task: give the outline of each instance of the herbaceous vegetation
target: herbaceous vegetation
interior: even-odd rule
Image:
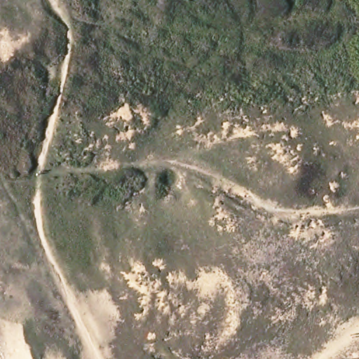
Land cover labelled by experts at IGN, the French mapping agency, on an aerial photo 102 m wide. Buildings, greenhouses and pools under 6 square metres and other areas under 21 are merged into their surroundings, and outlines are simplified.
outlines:
[[[332,237],[332,244],[327,248],[310,248],[324,237],[324,233],[316,233],[310,240],[290,236],[290,220],[280,219],[278,223],[273,224],[272,212],[262,208],[254,209],[251,203],[245,202],[241,196],[227,194],[223,188],[212,192],[212,178],[208,175],[194,170],[189,170],[187,174],[185,184],[194,196],[195,206],[189,206],[188,202],[181,198],[181,192],[175,184],[171,185],[164,199],[156,198],[156,179],[161,171],[156,165],[144,167],[143,170],[147,177],[147,185],[133,194],[133,201],[126,203],[125,212],[115,199],[109,196],[104,196],[97,205],[93,205],[86,198],[70,196],[69,191],[74,187],[74,182],[70,179],[70,172],[97,174],[101,171],[116,170],[118,167],[139,168],[140,160],[149,154],[157,154],[165,158],[178,158],[187,164],[210,167],[224,178],[250,189],[259,198],[276,202],[282,208],[325,208],[324,195],[331,199],[334,206],[359,205],[359,0],[60,0],[65,4],[67,15],[72,21],[76,42],[67,67],[67,94],[59,109],[59,121],[56,123],[45,168],[42,171],[43,231],[50,248],[53,248],[56,261],[65,273],[67,285],[81,293],[88,290],[107,290],[111,294],[112,302],[119,311],[115,338],[108,344],[115,359],[261,359],[259,352],[265,351],[266,348],[279,348],[290,355],[304,355],[306,358],[311,356],[323,351],[323,345],[330,341],[331,324],[320,325],[320,318],[330,314],[332,306],[338,304],[338,316],[345,323],[352,317],[359,317],[359,210],[346,215],[323,216],[324,226],[331,231]],[[132,119],[128,121],[121,118],[114,126],[107,126],[104,123],[104,116],[122,108],[119,105],[121,94],[128,101]],[[192,125],[198,116],[202,118],[201,125],[196,128],[199,135],[220,132],[223,123],[229,122],[227,136],[233,135],[236,125],[240,125],[240,128],[250,128],[255,136],[238,137],[233,142],[219,143],[208,149],[205,143],[194,140],[192,132],[177,135],[177,125]],[[283,147],[283,154],[293,165],[299,167],[297,174],[289,174],[282,163],[272,160],[272,143],[278,143]],[[213,210],[213,202],[219,196],[223,198],[220,205],[230,213],[236,227],[234,231],[217,231],[209,226],[210,217],[217,215]],[[202,351],[206,334],[217,335],[222,332],[223,321],[227,317],[226,297],[216,293],[213,306],[206,311],[202,320],[196,321],[199,338],[187,335],[175,341],[165,342],[165,337],[170,335],[170,318],[157,309],[156,293],[150,294],[150,309],[146,318],[135,318],[135,314],[143,311],[139,303],[139,292],[130,287],[128,280],[122,275],[123,271],[129,273],[132,269],[129,264],[132,258],[142,262],[149,272],[150,280],[160,280],[163,292],[170,290],[168,275],[171,272],[184,272],[188,279],[196,280],[199,278],[199,269],[203,266],[216,266],[222,269],[231,279],[234,289],[238,287],[241,292],[248,294],[248,306],[241,311],[236,334],[231,335],[227,344],[220,346],[219,351]],[[271,318],[275,316],[276,309],[285,309],[285,304],[271,294],[264,280],[254,280],[251,283],[245,278],[247,271],[269,271],[271,268],[279,269],[278,275],[273,278],[289,278],[283,280],[283,283],[275,283],[276,289],[292,283],[293,289],[299,289],[300,286],[309,290],[311,285],[321,294],[323,287],[327,287],[327,302],[311,310],[299,304],[293,321],[272,323]]]
[[[24,43],[21,49],[14,50],[14,55],[8,62],[0,59],[0,272],[3,273],[3,283],[13,283],[15,289],[27,292],[29,302],[34,307],[29,313],[28,320],[22,325],[32,359],[80,359],[83,342],[77,334],[76,321],[67,307],[65,297],[57,289],[55,279],[50,273],[52,265],[49,264],[39,240],[34,213],[35,171],[49,118],[60,95],[60,73],[69,41],[66,24],[53,11],[49,0],[0,0],[0,31],[7,28],[8,32],[18,31],[29,38],[29,42]]]

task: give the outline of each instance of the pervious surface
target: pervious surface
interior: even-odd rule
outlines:
[[[139,168],[143,170],[144,167],[156,165],[161,171],[171,170],[175,175],[178,172],[187,174],[189,170],[194,170],[208,175],[212,178],[212,192],[223,188],[227,194],[241,196],[245,202],[251,203],[254,209],[262,208],[272,212],[273,224],[278,223],[280,219],[290,220],[296,219],[299,215],[304,219],[314,215],[323,216],[346,215],[359,210],[359,205],[334,206],[331,199],[324,195],[325,208],[282,208],[276,202],[259,198],[250,189],[224,178],[210,167],[187,164],[178,158],[165,158],[157,154],[149,154],[140,160]]]
[[[22,325],[7,321],[0,337],[0,359],[32,359]]]
[[[108,344],[115,338],[119,311],[112,302],[111,294],[107,290],[88,290],[81,293],[67,285],[65,273],[56,261],[53,248],[50,248],[43,231],[42,171],[45,168],[56,123],[59,121],[59,109],[67,94],[67,67],[76,42],[72,21],[67,15],[65,4],[60,0],[49,0],[53,11],[66,24],[69,41],[60,73],[60,95],[49,118],[35,171],[34,213],[39,240],[49,264],[52,265],[50,273],[55,279],[57,289],[65,297],[67,307],[76,321],[77,334],[83,342],[80,359],[115,359]]]
[[[339,325],[337,330],[332,330],[334,338],[330,341],[323,345],[323,351],[311,356],[311,359],[359,359],[359,317],[352,317],[345,323]]]

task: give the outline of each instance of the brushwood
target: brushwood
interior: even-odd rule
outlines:
[[[70,172],[70,179],[74,182],[74,187],[69,191],[70,196],[86,198],[93,205],[97,205],[104,196],[109,196],[115,199],[125,212],[126,203],[133,201],[133,194],[147,185],[147,177],[143,170],[139,168],[118,167],[116,170],[101,171],[97,174]]]
[[[171,185],[175,184],[175,175],[171,170],[161,171],[156,179],[156,198],[164,199]]]

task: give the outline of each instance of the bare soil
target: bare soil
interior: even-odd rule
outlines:
[[[0,337],[7,321],[22,325],[28,320],[29,313],[34,307],[29,302],[27,292],[15,289],[13,283],[3,283],[3,273],[0,272]]]
[[[189,206],[195,206],[194,196],[185,184],[187,174],[178,172],[175,175],[175,184],[181,192],[181,198],[188,202]]]
[[[323,287],[321,294],[311,285],[309,290],[300,286],[299,289],[293,289],[292,283],[276,289],[275,283],[283,283],[283,280],[289,278],[273,278],[278,275],[279,269],[271,268],[269,271],[247,271],[245,278],[251,283],[254,280],[264,280],[271,294],[285,304],[285,309],[276,309],[275,316],[271,318],[272,323],[293,321],[299,304],[311,310],[327,302],[327,287]]]
[[[316,233],[324,233],[324,237],[310,248],[327,248],[332,244],[332,237],[331,231],[324,226],[323,216],[314,215],[304,219],[299,215],[296,219],[290,220],[290,236],[310,240]]]
[[[306,358],[304,355],[290,355],[279,348],[266,348],[265,351],[259,352],[261,359],[311,359],[311,356]]]
[[[199,269],[199,278],[196,280],[188,279],[184,272],[171,272],[168,275],[170,290],[163,292],[160,280],[150,280],[149,272],[142,262],[132,258],[129,264],[132,269],[129,273],[123,271],[122,275],[128,280],[130,287],[139,292],[139,303],[143,311],[135,314],[135,318],[146,318],[150,309],[150,294],[156,293],[157,309],[170,318],[170,335],[165,337],[165,342],[175,341],[187,335],[199,338],[196,321],[202,320],[206,311],[213,306],[216,293],[226,297],[227,317],[223,321],[222,332],[217,335],[206,334],[202,351],[219,351],[220,346],[227,344],[231,335],[236,334],[241,311],[248,306],[248,294],[241,292],[238,287],[234,289],[231,279],[222,269],[216,266],[203,266]]]
[[[338,316],[338,304],[332,306],[330,314],[320,318],[320,325],[331,324],[330,341],[334,338],[332,330],[337,330],[339,325],[345,323]]]
[[[194,140],[205,143],[208,149],[219,143],[233,142],[238,137],[255,136],[250,128],[240,128],[240,125],[236,125],[233,135],[227,136],[229,122],[223,123],[220,132],[199,135],[196,128],[201,125],[202,118],[198,116],[192,125],[177,125],[177,135],[192,132]]]
[[[213,202],[213,210],[217,215],[210,217],[209,226],[217,231],[234,231],[236,227],[230,213],[220,205],[223,198],[219,196]]]
[[[293,165],[283,154],[283,147],[278,143],[272,143],[272,160],[282,163],[289,174],[297,174],[299,167]]]
[[[14,55],[14,50],[21,49],[24,43],[29,42],[29,38],[18,31],[8,32],[7,28],[0,31],[0,59],[8,62]]]
[[[107,126],[114,126],[121,118],[128,121],[132,119],[128,101],[121,94],[119,105],[122,108],[104,116],[104,123]]]

